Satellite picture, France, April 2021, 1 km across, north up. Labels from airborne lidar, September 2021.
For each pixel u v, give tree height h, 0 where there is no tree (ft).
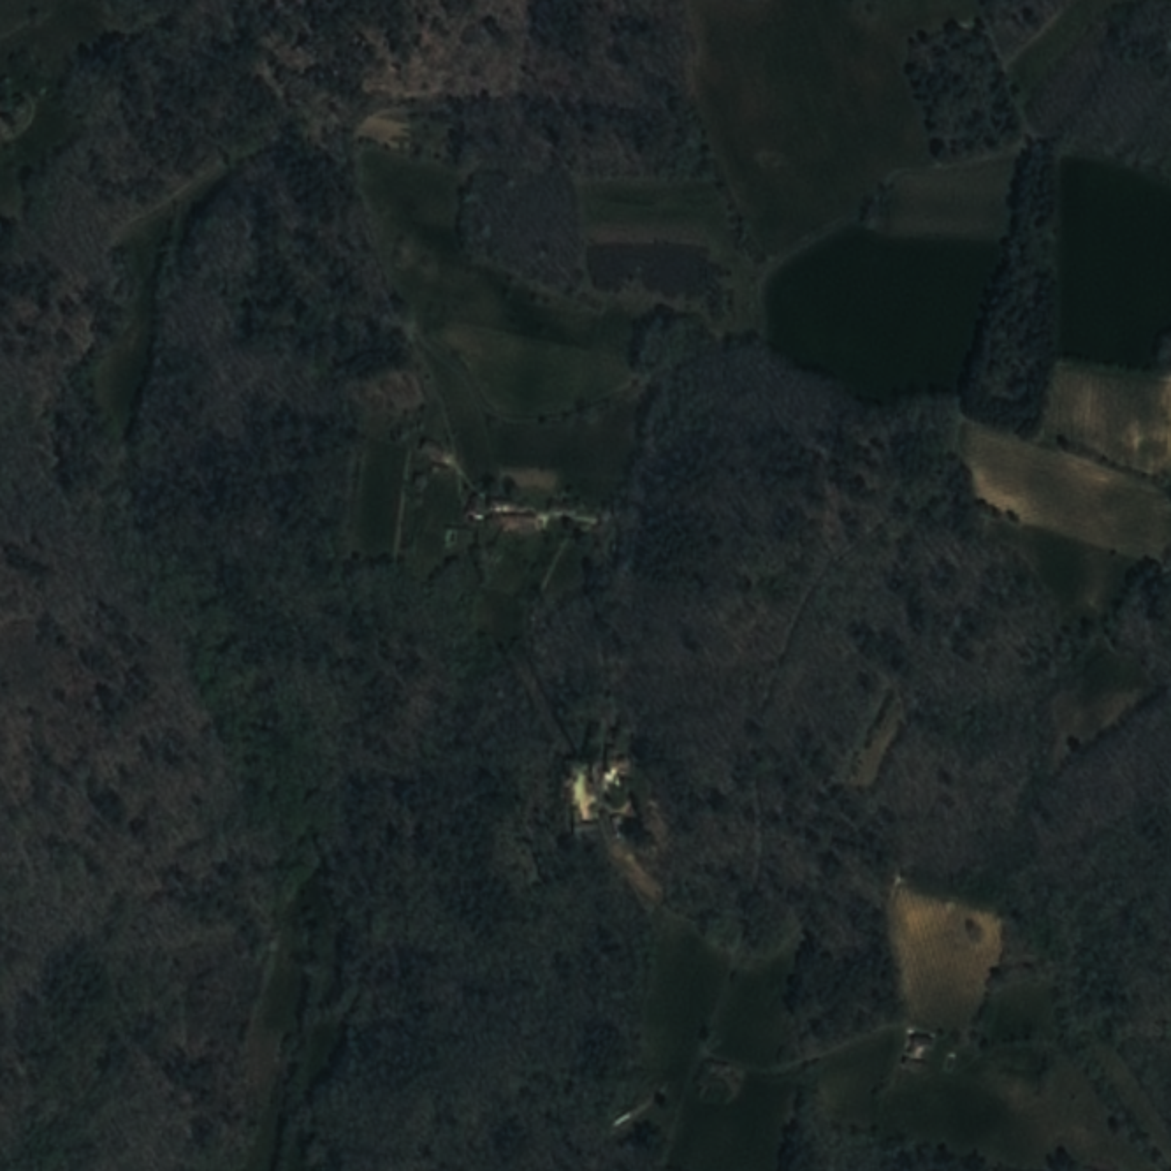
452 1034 49
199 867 52
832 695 50
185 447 55
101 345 88
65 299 54
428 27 84
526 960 71
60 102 28
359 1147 41
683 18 34
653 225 0
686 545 88
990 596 60
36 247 54
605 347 0
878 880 71
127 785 67
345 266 41
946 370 0
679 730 48
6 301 68
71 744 33
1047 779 43
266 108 93
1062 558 0
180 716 68
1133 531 0
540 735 52
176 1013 56
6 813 57
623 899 50
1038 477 0
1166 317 0
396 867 77
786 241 0
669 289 0
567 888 50
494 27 0
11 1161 68
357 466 32
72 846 55
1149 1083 56
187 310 69
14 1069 64
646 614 59
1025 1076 0
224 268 71
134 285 40
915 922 0
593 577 44
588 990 66
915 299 0
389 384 34
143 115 92
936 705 60
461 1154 41
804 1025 38
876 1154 64
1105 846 65
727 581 56
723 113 0
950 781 37
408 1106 66
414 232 0
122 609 58
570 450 0
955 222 0
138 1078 64
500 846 49
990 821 64
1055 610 36
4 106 46
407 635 55
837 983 82
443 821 69
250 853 50
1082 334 0
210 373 62
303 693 63
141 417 62
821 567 65
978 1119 0
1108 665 0
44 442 67
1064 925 68
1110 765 62
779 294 0
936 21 0
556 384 0
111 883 66
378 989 73
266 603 66
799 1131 46
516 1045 68
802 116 0
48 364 31
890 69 0
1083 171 0
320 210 83
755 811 43
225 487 92
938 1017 0
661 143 102
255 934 102
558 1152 64
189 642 66
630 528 55
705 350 47
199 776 39
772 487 94
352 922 90
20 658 31
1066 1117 0
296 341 44
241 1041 34
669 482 45
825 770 71
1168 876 59
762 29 0
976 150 49
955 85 47
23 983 66
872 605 62
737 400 69
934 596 68
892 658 82
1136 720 67
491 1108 55
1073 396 0
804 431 65
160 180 54
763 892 52
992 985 33
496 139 52
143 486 60
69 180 60
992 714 51
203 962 26
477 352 0
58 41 0
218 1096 54
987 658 50
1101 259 0
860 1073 0
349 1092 77
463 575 57
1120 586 0
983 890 28
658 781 42
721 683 28
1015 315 56
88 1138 74
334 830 79
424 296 0
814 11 0
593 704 73
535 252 49
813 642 37
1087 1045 26
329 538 64
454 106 47
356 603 53
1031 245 35
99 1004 94
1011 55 46
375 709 76
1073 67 32
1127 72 61
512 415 0
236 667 65
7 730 62
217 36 95
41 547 52
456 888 48
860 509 71
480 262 42
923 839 55
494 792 58
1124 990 61
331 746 72
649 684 69
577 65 85
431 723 53
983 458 0
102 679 29
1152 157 44
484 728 76
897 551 69
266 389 64
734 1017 0
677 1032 0
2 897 68
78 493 106
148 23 52
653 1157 76
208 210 47
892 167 0
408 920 71
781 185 0
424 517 0
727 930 74
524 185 54
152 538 97
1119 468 31
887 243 0
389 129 0
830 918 34
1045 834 52
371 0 101
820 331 0
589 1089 78
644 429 48
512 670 56
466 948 61
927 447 55
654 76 61
